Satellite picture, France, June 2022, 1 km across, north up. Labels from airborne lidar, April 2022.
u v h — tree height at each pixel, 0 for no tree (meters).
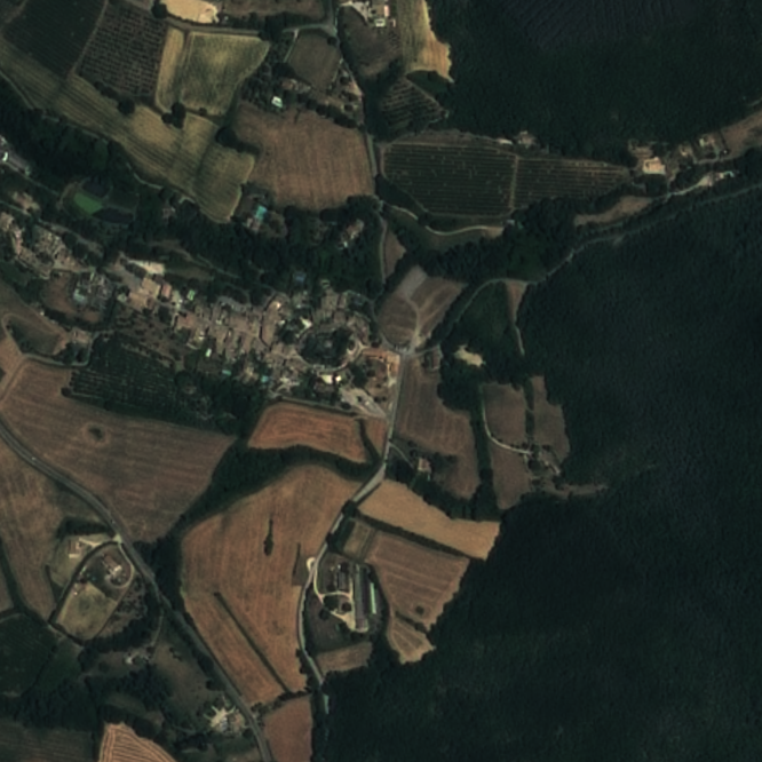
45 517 0
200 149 0
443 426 0
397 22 0
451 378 13
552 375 12
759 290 9
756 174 18
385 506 0
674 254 7
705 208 9
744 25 10
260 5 0
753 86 10
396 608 0
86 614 0
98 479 0
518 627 8
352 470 6
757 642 8
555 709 11
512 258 16
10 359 0
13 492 0
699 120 13
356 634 9
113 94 10
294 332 7
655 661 6
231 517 0
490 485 6
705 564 12
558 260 10
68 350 12
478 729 8
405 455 0
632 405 7
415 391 0
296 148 0
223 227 13
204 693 0
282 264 22
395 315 0
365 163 0
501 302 6
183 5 0
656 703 8
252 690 0
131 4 0
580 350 9
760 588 7
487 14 10
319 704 13
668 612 7
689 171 9
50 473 0
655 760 6
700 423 9
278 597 0
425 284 0
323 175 0
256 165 0
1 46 0
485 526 0
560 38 14
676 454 8
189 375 13
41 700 15
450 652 9
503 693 8
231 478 13
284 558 0
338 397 6
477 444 6
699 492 7
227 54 0
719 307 9
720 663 6
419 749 10
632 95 9
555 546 7
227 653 0
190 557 0
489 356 13
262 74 8
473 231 0
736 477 10
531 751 9
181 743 7
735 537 10
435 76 13
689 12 12
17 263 8
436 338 15
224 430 18
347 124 13
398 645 0
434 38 0
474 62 8
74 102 0
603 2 8
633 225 10
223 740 10
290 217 16
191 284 11
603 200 15
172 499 0
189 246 14
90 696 7
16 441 0
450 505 18
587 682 9
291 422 0
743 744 7
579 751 10
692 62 6
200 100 0
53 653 7
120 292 7
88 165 11
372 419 0
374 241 13
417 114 9
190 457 0
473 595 7
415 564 0
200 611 0
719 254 11
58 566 0
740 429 9
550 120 6
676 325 6
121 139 0
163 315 13
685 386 7
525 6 16
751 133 0
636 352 8
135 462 0
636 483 8
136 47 6
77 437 0
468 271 19
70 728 12
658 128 11
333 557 0
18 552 0
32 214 14
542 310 7
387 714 6
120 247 16
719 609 9
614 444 7
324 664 0
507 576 8
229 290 8
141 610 11
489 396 0
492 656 8
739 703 6
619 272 6
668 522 10
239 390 10
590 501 14
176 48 0
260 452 7
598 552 7
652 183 13
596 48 8
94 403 8
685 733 7
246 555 0
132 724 12
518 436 0
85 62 6
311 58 0
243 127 0
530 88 7
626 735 8
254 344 0
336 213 13
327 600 14
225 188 0
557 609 5
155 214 7
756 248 6
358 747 9
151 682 25
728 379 6
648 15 13
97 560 0
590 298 6
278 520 0
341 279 9
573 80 10
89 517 0
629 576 7
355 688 19
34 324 0
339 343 10
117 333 7
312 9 0
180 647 0
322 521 0
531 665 8
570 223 12
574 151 16
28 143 16
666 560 11
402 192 10
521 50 9
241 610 0
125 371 7
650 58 7
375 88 13
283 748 0
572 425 8
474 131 13
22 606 6
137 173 7
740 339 9
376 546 0
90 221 10
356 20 0
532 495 11
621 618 6
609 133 9
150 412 10
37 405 0
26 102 0
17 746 0
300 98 11
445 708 7
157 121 0
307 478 0
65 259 0
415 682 10
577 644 8
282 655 0
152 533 0
